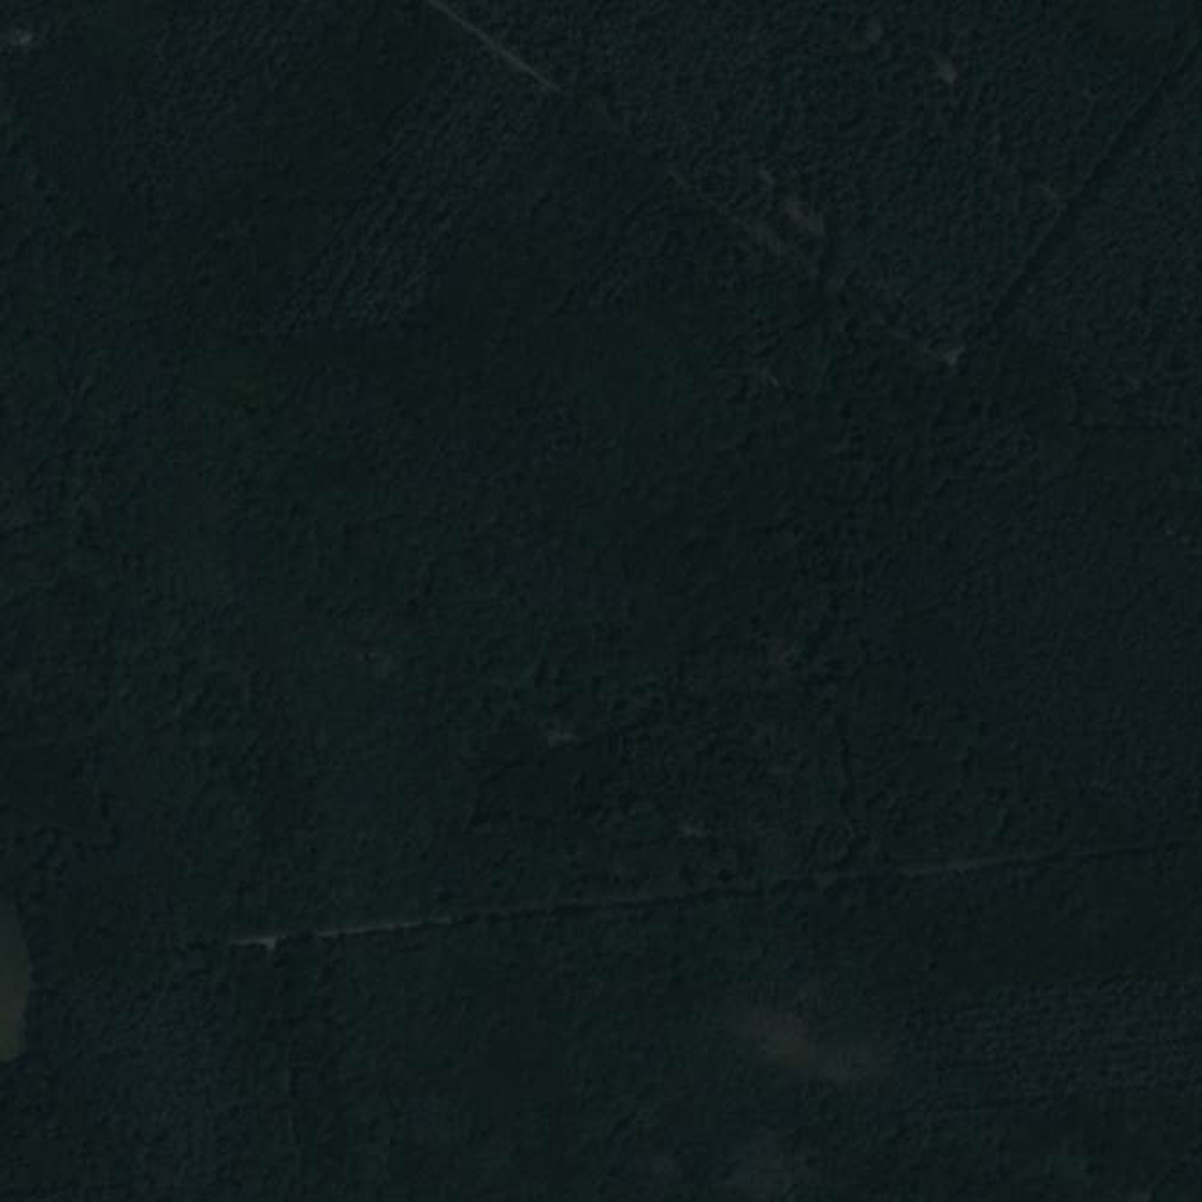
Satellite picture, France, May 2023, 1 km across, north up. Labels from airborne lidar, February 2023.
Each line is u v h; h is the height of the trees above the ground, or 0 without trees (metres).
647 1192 23
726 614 20
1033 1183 19
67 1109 20
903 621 14
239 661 18
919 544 14
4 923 0
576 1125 17
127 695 16
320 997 17
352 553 20
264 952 10
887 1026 10
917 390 18
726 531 23
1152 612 17
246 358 16
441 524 17
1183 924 17
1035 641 17
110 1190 16
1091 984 15
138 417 15
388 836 15
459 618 18
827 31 7
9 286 21
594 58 21
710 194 27
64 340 21
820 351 21
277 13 20
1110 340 20
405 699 16
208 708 18
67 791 7
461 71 23
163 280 17
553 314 10
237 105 21
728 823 6
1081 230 29
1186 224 26
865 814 20
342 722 13
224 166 11
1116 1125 22
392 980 18
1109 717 14
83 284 20
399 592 20
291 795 15
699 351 13
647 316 15
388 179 23
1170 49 17
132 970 21
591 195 14
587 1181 17
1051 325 31
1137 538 15
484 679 22
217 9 25
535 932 21
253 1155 19
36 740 15
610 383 14
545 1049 13
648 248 28
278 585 17
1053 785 19
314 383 17
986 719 16
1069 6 19
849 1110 9
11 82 25
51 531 19
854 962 18
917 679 15
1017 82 21
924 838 13
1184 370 28
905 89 20
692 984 19
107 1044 17
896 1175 16
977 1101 7
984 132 21
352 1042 18
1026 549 17
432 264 18
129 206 19
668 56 23
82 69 19
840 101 12
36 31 13
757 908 18
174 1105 13
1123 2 16
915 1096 11
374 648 21
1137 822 13
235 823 16
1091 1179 19
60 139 20
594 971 12
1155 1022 13
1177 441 19
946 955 17
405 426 13
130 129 18
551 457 17
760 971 14
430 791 22
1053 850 11
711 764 18
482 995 18
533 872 21
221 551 16
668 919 18
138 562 15
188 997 15
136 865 16
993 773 19
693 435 15
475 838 18
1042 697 14
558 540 20
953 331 24
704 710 17
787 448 19
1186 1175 16
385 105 20
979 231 23
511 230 18
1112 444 19
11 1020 0
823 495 19
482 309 19
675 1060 10
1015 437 27
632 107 22
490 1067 15
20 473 12
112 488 17
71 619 14
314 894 16
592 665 17
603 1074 10
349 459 16
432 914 15
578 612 16
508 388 20
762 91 27
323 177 18
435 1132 18
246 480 16
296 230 21
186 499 15
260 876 15
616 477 15
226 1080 15
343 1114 14
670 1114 13
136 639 16
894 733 23
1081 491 15
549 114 14
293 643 13
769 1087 7
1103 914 16
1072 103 20
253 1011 21
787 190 14
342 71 20
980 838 14
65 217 19
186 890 14
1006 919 19
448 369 18
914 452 18
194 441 18
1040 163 24
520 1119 18
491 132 17
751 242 14
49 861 18
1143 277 30
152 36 14
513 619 21
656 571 18
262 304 17
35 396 18
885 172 27
